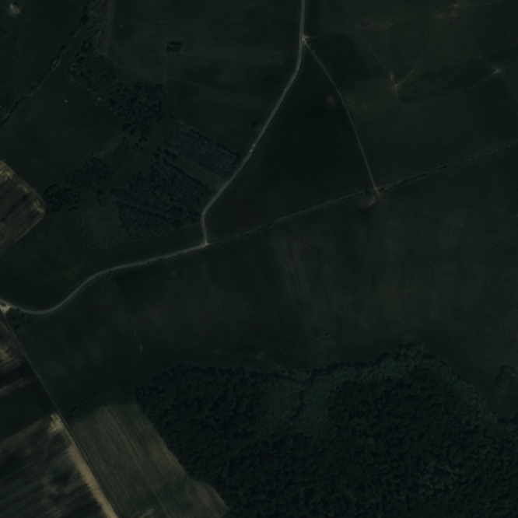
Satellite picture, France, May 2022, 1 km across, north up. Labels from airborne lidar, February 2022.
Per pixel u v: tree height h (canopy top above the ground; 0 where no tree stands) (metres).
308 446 29
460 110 0
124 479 0
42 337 0
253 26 0
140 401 13
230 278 0
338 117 0
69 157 0
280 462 26
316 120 0
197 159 15
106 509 0
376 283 0
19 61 0
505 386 7
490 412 21
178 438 25
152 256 0
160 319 0
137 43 0
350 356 0
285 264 0
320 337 0
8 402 0
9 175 0
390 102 0
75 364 0
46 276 0
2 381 0
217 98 0
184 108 0
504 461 26
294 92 0
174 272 0
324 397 25
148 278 0
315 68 0
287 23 0
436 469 0
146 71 0
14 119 0
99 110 0
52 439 0
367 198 0
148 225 20
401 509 21
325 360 0
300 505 35
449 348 0
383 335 0
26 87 0
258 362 0
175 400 28
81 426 0
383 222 0
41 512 0
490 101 0
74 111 0
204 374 28
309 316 0
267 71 0
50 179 0
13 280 0
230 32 0
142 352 0
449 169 0
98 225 0
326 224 0
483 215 0
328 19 0
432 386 27
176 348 0
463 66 0
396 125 0
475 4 0
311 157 0
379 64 0
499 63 0
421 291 0
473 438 28
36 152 0
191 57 0
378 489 24
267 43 0
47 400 0
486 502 27
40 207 0
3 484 0
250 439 25
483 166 0
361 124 0
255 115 0
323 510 13
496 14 0
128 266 0
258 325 0
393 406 28
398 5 0
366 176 0
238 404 31
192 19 0
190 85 0
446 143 0
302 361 0
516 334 0
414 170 0
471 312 0
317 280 0
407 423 26
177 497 0
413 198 0
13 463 0
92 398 0
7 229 0
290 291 0
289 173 0
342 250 0
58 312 0
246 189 0
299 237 0
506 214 0
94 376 0
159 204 21
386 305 0
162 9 0
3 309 0
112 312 0
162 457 0
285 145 0
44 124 0
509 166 0
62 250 0
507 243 0
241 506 24
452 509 19
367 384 21
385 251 0
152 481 0
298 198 0
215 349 0
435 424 23
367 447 25
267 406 27
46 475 0
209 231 0
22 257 0
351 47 0
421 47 0
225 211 0
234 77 0
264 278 0
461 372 0
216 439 26
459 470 30
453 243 0
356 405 22
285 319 0
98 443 0
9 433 0
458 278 0
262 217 0
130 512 0
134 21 0
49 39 0
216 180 0
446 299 0
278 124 0
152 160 0
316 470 31
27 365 0
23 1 0
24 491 0
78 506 0
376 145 0
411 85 0
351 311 0
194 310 0
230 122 0
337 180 0
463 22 0
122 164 0
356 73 0
